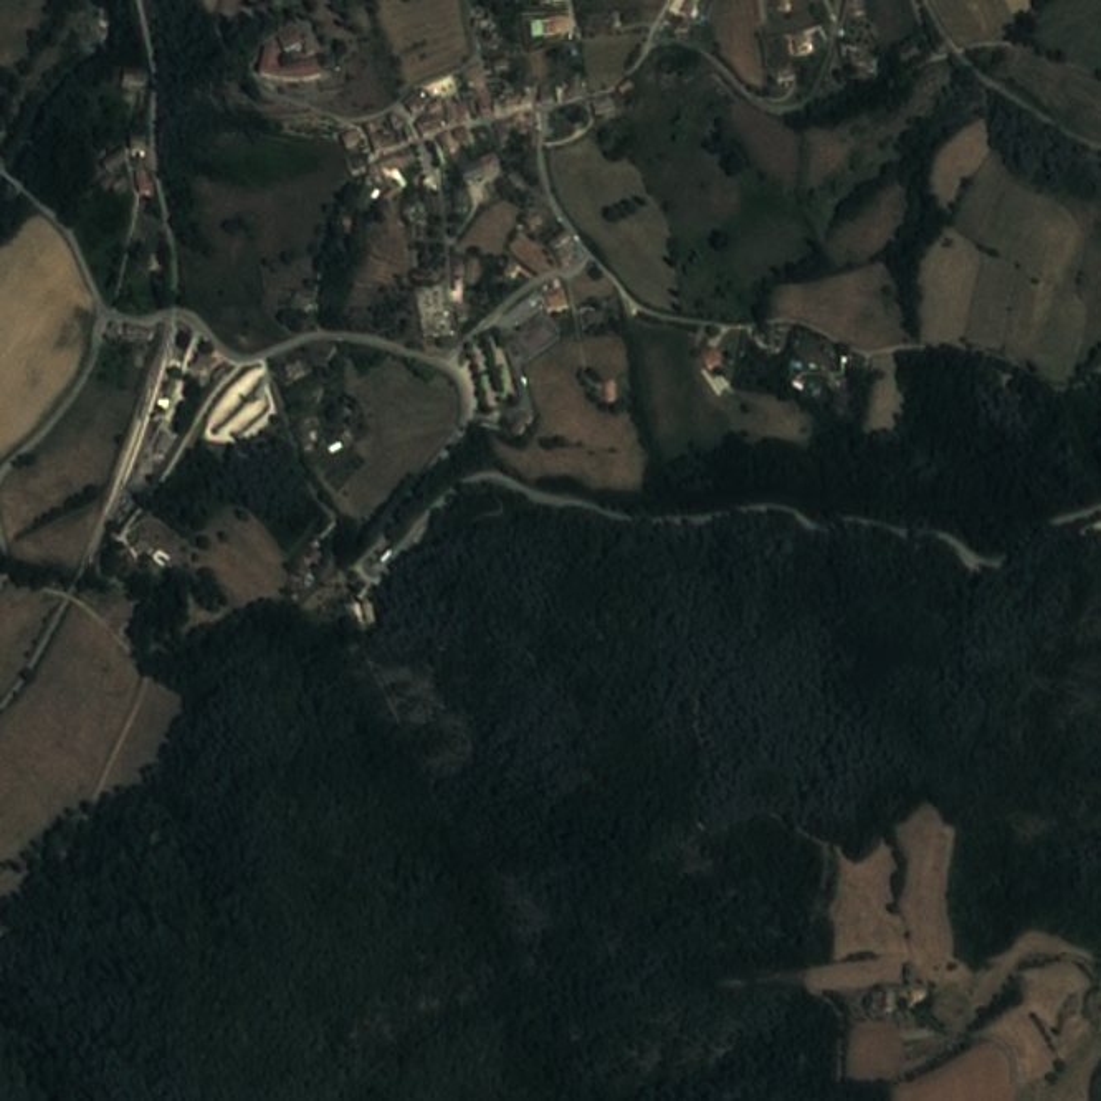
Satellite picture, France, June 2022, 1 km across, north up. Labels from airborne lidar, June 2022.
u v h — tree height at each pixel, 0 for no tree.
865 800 9
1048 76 0
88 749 0
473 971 13
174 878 19
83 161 13
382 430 0
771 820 14
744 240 0
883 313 0
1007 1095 0
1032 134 24
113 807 14
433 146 7
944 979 0
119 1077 17
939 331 0
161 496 10
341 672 13
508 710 14
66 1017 20
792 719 18
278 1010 21
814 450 7
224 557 0
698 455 8
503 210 0
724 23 0
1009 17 0
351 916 15
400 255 0
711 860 8
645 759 8
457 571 12
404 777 15
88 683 0
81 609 0
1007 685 7
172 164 10
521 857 21
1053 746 7
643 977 10
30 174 19
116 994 17
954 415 17
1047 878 10
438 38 0
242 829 16
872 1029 0
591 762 15
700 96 0
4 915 15
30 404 0
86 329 0
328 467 0
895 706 11
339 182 0
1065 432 21
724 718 12
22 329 0
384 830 8
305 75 0
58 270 0
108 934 17
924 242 22
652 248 0
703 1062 8
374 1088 20
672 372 0
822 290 0
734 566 14
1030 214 0
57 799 0
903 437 14
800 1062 18
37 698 0
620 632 19
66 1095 23
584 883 13
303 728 15
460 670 6
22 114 11
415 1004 10
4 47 0
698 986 14
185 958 22
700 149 0
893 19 0
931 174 8
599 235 0
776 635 16
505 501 7
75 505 9
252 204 0
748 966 12
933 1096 0
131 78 0
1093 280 0
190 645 16
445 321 0
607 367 0
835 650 18
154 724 0
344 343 7
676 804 17
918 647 13
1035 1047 0
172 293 15
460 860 25
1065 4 0
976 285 0
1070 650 7
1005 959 0
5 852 0
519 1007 16
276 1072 18
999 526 15
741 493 6
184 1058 12
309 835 11
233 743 16
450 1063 10
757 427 0
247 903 17
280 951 13
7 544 0
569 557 11
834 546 11
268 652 12
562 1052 15
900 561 17
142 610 18
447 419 0
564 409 0
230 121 9
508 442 6
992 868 7
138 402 0
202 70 10
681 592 15
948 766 17
